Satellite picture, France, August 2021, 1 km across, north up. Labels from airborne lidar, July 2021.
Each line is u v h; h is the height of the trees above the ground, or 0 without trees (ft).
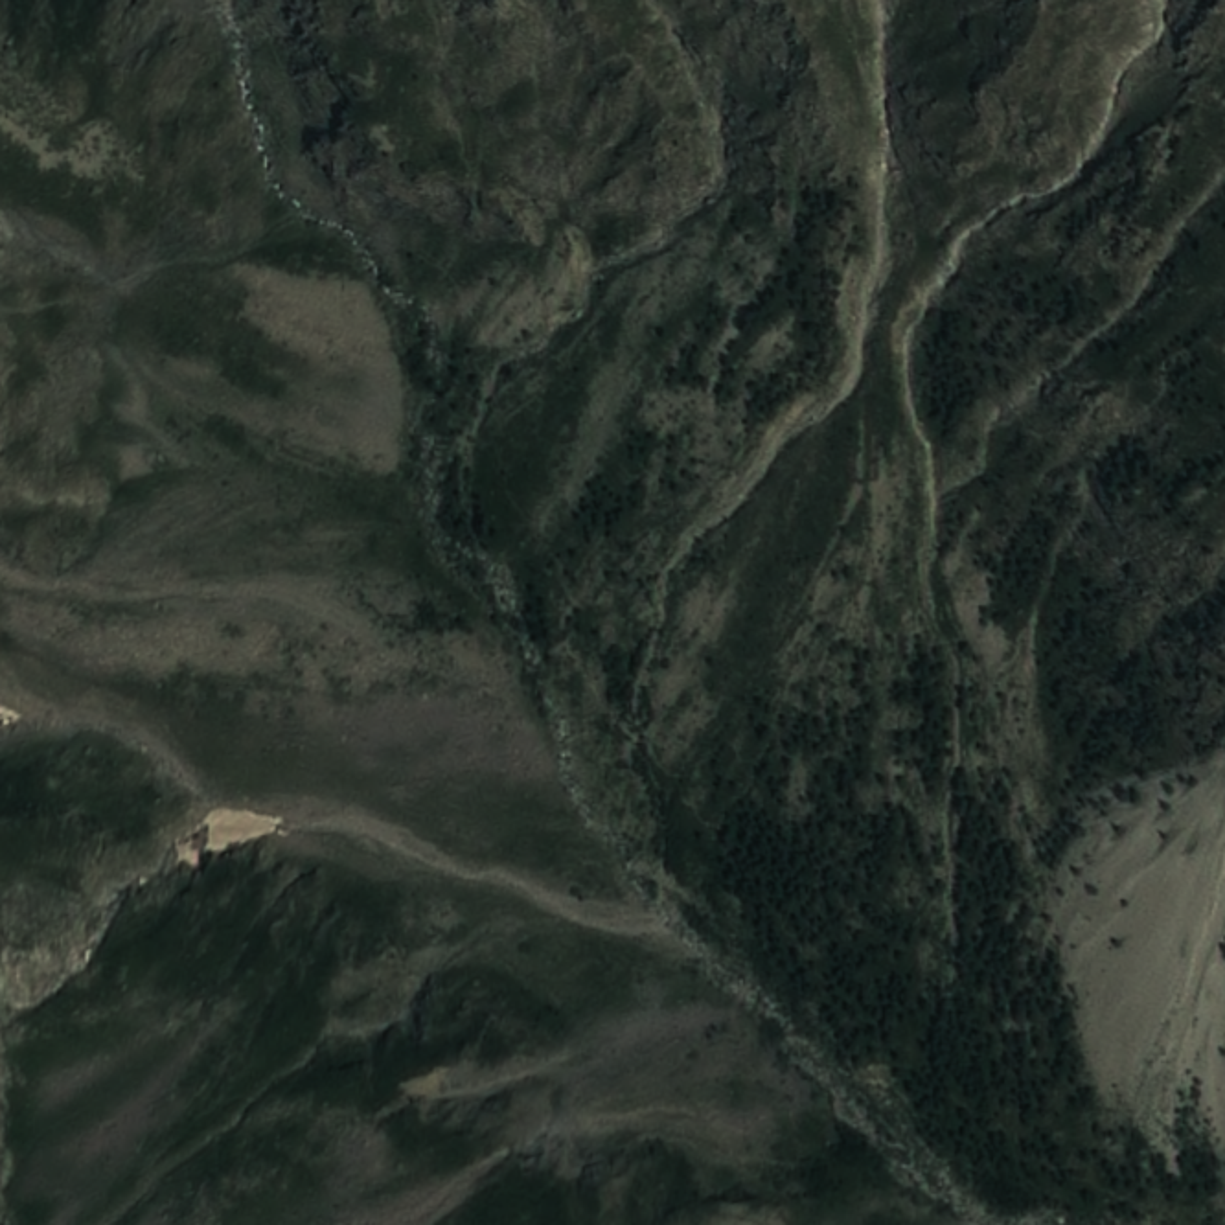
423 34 0
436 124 0
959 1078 45
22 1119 0
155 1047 0
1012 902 41
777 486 0
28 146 0
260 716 0
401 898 0
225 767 0
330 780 0
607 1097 0
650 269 0
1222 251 0
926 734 50
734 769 0
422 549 0
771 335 0
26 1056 0
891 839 43
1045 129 0
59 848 0
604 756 0
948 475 0
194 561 0
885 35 0
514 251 0
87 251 0
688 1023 0
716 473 0
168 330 0
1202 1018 0
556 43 0
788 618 0
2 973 0
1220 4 0
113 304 0
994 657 0
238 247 0
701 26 0
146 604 0
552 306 0
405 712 0
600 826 0
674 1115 0
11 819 0
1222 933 0
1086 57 0
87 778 0
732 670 0
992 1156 33
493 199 0
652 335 0
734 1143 0
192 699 0
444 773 0
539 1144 0
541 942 0
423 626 19
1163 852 0
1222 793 0
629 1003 0
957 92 0
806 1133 0
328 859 0
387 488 0
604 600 0
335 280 0
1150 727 68
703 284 0
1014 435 0
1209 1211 0
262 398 0
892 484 0
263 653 0
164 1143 0
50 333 0
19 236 0
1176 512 34
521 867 0
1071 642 45
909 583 0
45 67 0
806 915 36
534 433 0
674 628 0
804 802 29
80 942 0
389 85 0
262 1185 0
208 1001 0
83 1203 0
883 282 0
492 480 0
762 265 0
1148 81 0
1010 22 0
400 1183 0
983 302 29
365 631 0
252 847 0
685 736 0
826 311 44
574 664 0
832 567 0
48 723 0
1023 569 45
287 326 0
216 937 0
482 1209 0
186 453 0
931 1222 0
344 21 0
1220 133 0
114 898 0
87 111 0
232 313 0
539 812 0
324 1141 0
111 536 0
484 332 0
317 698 0
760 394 39
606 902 0
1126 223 31
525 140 0
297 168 0
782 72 0
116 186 0
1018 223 0
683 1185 0
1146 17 0
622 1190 0
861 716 21
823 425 0
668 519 0
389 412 0
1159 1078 0
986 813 55
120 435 0
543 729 0
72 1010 0
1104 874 0
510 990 0
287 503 0
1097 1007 0
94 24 0
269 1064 0
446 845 0
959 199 0
